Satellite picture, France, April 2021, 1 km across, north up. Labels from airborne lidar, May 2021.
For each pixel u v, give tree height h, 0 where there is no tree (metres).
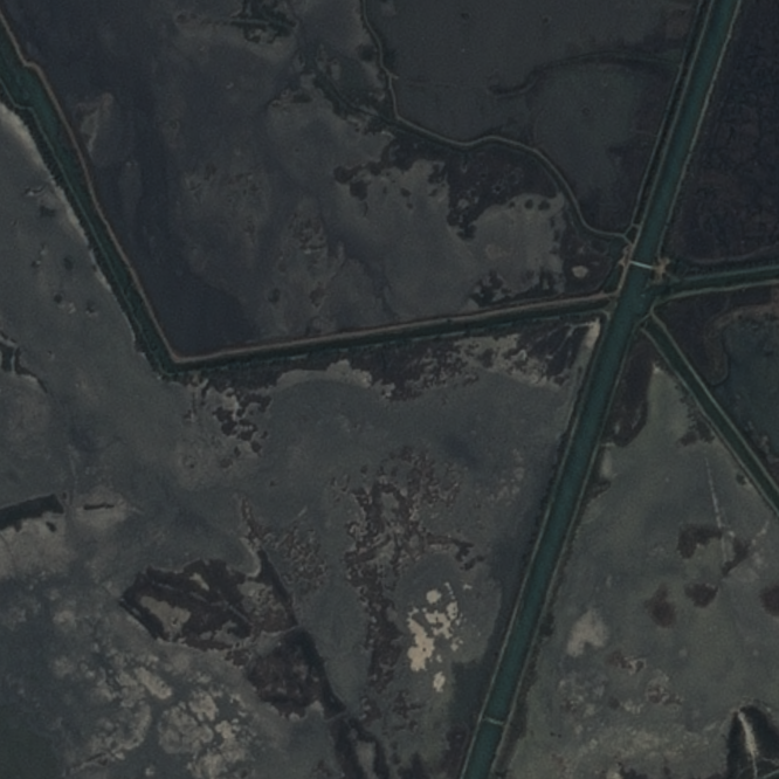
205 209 0
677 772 0
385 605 0
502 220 0
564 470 0
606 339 0
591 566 0
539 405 0
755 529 0
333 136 0
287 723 0
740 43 0
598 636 0
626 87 0
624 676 0
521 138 0
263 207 0
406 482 0
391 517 0
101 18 0
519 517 0
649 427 0
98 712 0
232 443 0
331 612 0
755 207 0
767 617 0
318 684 0
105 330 0
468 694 0
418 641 0
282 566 0
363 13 0
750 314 0
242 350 0
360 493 0
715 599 0
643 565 0
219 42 0
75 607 0
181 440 0
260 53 0
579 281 0
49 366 0
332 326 0
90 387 0
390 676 0
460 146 0
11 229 0
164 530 0
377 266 0
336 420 0
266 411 0
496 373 0
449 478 0
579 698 0
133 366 0
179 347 0
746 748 0
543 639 0
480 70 0
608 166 0
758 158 0
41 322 0
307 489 0
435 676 0
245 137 0
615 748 0
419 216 0
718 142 0
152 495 0
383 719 0
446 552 0
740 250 0
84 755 0
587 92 0
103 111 0
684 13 0
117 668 0
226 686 0
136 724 0
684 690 0
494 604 0
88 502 0
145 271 0
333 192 0
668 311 0
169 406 0
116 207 0
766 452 0
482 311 0
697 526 0
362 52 0
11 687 0
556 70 0
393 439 0
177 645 0
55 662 0
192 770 0
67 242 0
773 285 0
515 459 0
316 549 0
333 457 0
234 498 0
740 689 0
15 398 0
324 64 0
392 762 0
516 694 0
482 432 0
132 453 0
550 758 0
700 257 0
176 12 0
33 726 0
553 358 0
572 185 0
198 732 0
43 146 8
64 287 0
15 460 0
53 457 0
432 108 0
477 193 0
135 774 0
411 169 0
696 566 0
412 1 0
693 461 0
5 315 0
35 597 0
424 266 0
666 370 0
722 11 0
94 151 0
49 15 0
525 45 0
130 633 0
